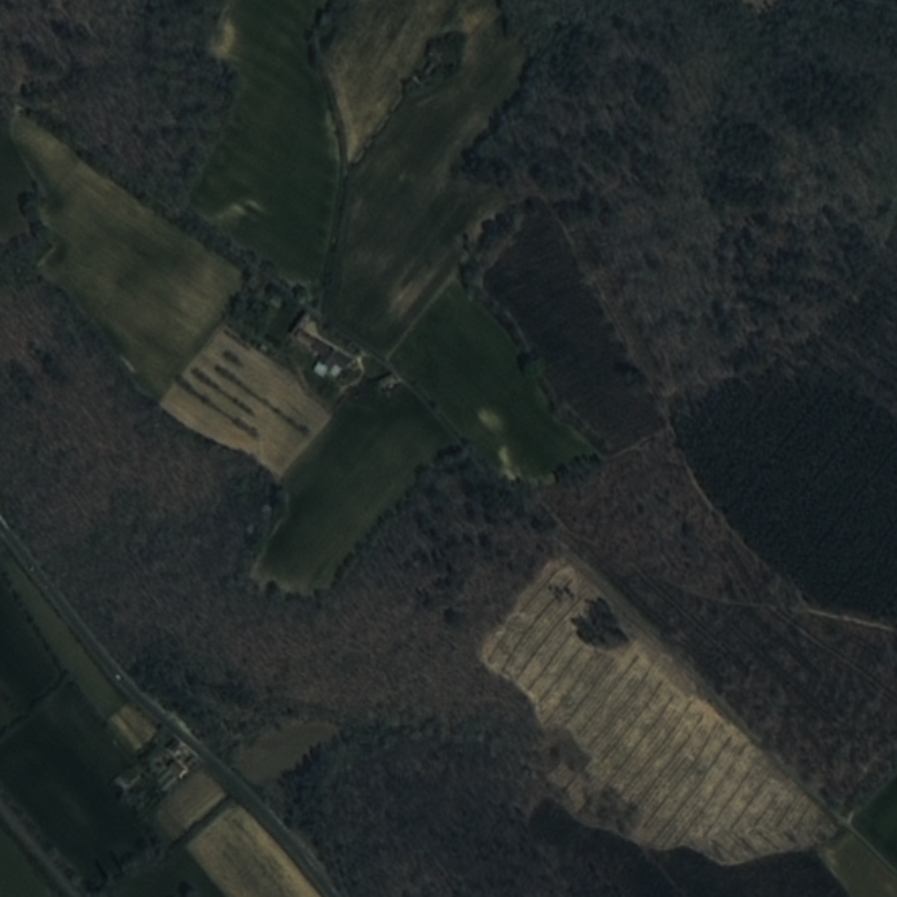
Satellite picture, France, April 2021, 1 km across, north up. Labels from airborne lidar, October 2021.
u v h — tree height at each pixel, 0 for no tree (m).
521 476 0
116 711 0
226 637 19
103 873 0
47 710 0
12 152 0
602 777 0
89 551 22
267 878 0
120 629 12
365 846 9
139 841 0
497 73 0
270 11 0
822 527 17
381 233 0
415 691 19
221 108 22
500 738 16
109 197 0
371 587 17
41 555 17
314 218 0
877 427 18
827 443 18
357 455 0
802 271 27
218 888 0
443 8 0
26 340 24
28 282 25
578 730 0
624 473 11
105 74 16
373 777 14
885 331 14
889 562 17
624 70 20
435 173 0
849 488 18
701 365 11
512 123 17
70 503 19
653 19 23
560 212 16
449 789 14
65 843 0
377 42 0
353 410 0
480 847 15
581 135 26
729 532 9
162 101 17
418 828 17
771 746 20
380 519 0
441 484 23
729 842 0
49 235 22
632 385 24
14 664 0
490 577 9
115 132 18
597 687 0
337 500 0
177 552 21
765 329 7
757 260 24
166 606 18
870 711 16
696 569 8
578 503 11
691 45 22
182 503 20
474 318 0
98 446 19
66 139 20
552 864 15
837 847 0
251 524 18
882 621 17
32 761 0
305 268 0
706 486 19
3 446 20
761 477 19
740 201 30
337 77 0
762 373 27
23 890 0
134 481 15
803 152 15
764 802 0
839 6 17
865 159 25
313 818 15
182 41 20
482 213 0
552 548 9
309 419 0
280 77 0
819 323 11
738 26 20
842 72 21
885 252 15
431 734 22
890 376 17
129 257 0
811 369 14
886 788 12
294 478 0
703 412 18
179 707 15
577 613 0
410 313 0
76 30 20
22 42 20
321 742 0
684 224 20
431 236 0
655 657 0
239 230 0
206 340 0
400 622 20
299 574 0
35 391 25
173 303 0
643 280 19
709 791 0
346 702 20
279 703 14
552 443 0
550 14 17
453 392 0
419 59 0
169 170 20
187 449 22
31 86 17
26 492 20
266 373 0
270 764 0
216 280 0
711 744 0
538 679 0
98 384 20
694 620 6
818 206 21
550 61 21
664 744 0
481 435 0
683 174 19
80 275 0
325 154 0
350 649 18
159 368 0
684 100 21
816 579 17
